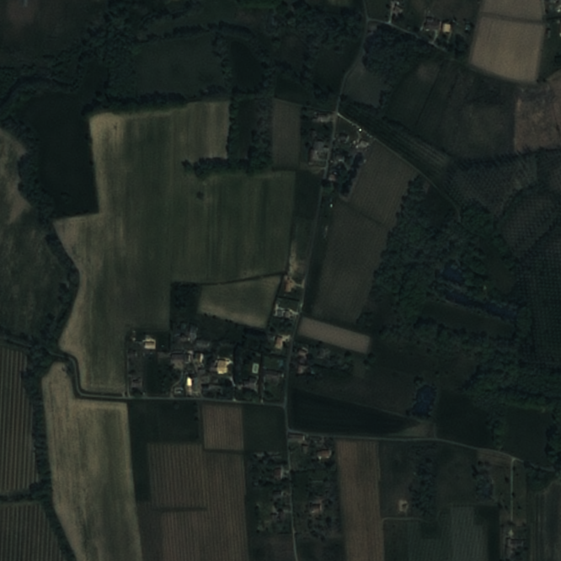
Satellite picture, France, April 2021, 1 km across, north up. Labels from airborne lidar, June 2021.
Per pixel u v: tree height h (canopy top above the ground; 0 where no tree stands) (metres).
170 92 0
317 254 0
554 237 21
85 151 0
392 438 0
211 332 0
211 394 6
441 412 0
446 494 0
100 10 0
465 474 0
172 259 0
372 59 23
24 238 0
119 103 25
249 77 0
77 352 0
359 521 0
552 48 0
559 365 18
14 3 0
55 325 23
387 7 6
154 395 0
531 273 24
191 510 0
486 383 19
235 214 0
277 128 0
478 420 0
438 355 7
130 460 0
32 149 17
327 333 0
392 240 14
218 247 0
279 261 0
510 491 0
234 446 0
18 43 0
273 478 6
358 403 0
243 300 0
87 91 0
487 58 0
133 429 0
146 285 0
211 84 0
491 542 0
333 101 13
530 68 0
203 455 0
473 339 8
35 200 15
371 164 0
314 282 0
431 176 11
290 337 0
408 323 6
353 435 0
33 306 0
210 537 0
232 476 0
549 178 20
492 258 0
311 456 7
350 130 0
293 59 0
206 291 0
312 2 0
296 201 0
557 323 24
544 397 20
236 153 20
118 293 0
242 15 0
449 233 8
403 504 0
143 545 0
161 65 0
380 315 0
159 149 0
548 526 0
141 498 0
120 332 0
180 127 0
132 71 11
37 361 17
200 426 0
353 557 0
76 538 0
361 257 0
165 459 0
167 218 0
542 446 0
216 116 0
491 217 18
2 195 0
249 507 0
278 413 0
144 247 0
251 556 0
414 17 0
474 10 0
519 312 20
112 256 0
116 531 0
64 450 0
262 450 0
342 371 7
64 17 0
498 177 29
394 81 23
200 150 0
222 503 0
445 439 0
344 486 0
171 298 0
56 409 0
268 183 0
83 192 0
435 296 18
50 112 0
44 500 19
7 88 7
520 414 0
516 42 0
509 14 0
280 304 0
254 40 16
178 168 0
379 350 0
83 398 0
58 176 0
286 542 0
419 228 22
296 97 0
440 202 0
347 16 18
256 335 16
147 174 0
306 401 0
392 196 0
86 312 0
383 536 0
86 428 0
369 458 0
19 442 0
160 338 0
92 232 0
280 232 0
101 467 0
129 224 0
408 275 13
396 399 0
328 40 17
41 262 0
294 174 0
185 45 0
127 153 0
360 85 0
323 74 0
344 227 0
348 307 0
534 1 0
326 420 0
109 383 0
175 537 0
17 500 13
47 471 16
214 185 0
